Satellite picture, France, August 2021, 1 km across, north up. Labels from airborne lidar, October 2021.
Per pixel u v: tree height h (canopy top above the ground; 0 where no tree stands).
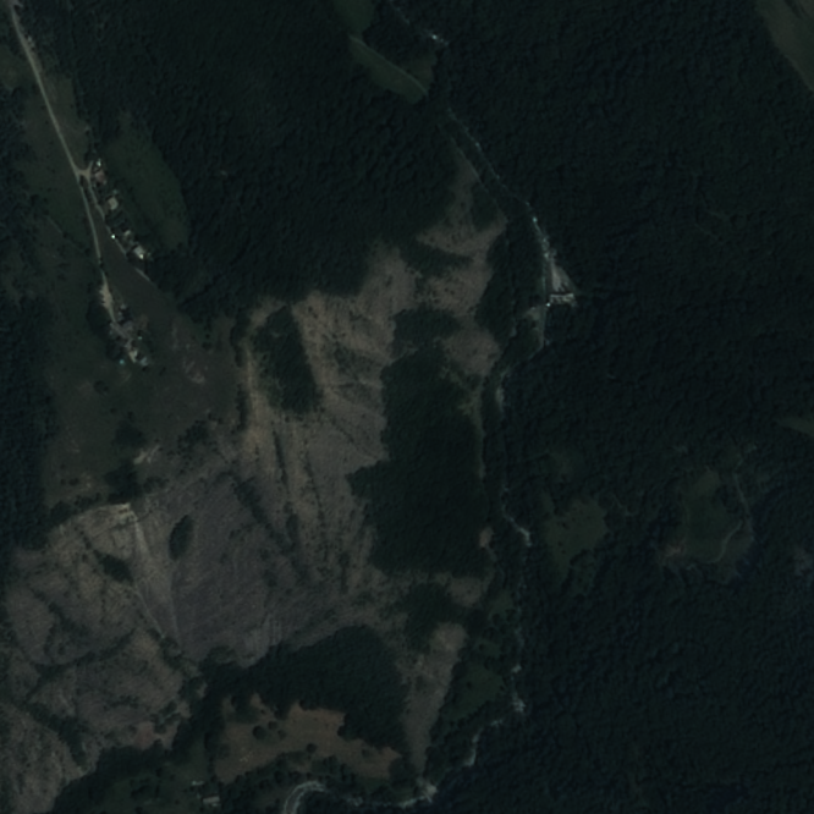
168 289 11
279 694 17
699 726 21
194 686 14
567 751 28
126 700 6
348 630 10
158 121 19
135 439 6
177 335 0
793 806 28
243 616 0
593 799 23
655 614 31
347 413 0
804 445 16
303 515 0
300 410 11
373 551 7
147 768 13
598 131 21
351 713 20
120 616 0
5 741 6
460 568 13
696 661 33
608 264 13
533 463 23
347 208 25
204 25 24
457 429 16
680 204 24
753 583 22
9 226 10
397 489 11
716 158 16
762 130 12
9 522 11
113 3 14
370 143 31
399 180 28
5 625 7
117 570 9
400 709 9
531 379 23
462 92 19
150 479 5
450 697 10
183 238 0
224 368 0
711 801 13
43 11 10
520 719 8
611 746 33
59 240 0
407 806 0
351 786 11
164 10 26
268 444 0
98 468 0
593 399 22
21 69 0
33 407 14
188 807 0
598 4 13
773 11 0
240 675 15
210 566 0
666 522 15
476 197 7
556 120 16
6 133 13
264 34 28
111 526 0
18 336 12
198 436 8
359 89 30
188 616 0
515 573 18
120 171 0
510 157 10
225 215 23
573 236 16
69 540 0
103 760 12
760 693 26
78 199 0
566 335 19
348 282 9
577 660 28
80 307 0
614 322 28
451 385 15
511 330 16
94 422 0
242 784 13
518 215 25
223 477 7
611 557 12
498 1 16
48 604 8
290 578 0
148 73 20
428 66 0
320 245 19
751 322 33
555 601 18
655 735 30
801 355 36
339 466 0
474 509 22
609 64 32
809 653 15
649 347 23
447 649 0
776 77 14
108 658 9
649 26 37
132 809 0
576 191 22
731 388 28
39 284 0
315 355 0
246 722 0
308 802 8
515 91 13
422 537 17
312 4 24
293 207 26
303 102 27
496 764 19
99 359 0
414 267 7
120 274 0
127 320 0
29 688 9
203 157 26
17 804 0
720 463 12
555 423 24
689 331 28
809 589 6
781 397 27
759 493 7
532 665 15
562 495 13
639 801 17
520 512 8
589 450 19
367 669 11
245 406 9
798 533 10
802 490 20
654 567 33
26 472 7
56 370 0
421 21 21
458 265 6
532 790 37
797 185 12
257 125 8
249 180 26
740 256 17
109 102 13
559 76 18
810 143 13
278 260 22
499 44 11
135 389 0
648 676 32
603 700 36
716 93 18
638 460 16
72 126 0
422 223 13
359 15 0
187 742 19
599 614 21
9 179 6
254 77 15
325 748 0
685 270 19
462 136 15
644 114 20
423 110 17
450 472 19
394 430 10
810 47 0
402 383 12
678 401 25
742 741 21
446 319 11
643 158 22
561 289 0
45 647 6
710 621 30
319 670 16
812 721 13
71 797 15
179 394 0
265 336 11
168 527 0
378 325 0
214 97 24
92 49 13
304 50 19
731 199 14
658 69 28
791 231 23
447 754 15
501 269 12
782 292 23
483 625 20
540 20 17
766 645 18
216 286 11
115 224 8
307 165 27
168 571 0
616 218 13
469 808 32
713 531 0
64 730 13
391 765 0
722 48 21
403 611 7
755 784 29
